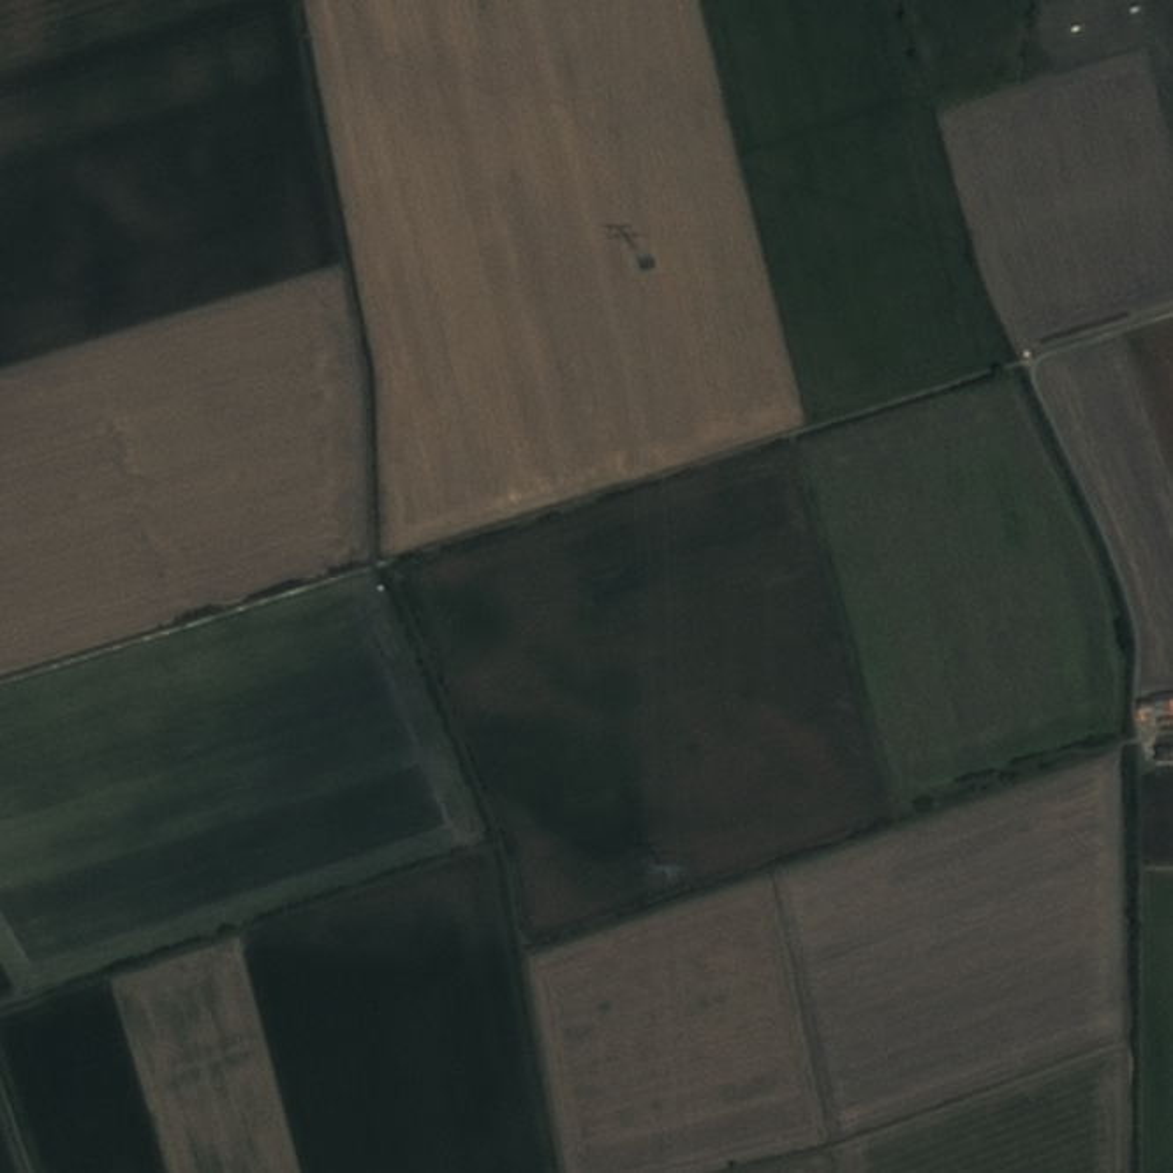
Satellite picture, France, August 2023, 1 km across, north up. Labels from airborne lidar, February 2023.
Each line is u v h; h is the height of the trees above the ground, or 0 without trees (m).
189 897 0
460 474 0
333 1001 0
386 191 0
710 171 0
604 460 0
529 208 0
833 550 0
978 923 0
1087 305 0
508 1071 0
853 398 0
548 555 0
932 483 0
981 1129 0
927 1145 0
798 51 0
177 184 0
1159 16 0
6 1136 0
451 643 0
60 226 0
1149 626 0
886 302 0
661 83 0
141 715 0
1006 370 8
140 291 0
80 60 0
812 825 0
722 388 0
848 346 0
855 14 0
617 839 0
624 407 0
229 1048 0
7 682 0
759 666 0
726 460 0
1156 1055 0
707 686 0
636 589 0
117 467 0
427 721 0
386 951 0
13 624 0
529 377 0
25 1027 0
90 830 0
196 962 0
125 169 0
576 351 0
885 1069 0
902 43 0
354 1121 0
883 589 0
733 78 0
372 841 0
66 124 0
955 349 0
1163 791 0
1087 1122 0
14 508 0
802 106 0
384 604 0
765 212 0
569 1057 0
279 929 0
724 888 0
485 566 0
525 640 0
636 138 0
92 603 0
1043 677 0
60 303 0
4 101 0
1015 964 0
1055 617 0
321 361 0
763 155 0
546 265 0
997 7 0
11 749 0
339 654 0
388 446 0
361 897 0
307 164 0
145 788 0
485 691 0
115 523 0
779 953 0
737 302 0
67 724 0
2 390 0
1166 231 0
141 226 0
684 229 0
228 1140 0
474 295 0
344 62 0
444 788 0
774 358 0
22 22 0
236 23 0
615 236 0
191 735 0
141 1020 0
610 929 0
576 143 0
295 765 0
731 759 0
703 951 0
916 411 0
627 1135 0
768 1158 0
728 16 0
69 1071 0
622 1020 0
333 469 0
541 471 0
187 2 0
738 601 0
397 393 0
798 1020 0
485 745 0
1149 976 0
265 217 0
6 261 0
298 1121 0
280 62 0
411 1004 0
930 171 0
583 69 0
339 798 0
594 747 0
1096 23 0
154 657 0
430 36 0
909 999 0
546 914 0
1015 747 0
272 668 0
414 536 0
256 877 0
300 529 0
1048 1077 0
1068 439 0
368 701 0
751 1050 0
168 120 0
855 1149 0
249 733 0
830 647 0
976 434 0
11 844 0
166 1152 0
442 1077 0
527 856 0
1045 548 0
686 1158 0
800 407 0
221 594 0
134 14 0
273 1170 0
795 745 0
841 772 0
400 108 0
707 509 0
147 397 0
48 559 0
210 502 0
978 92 0
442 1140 0
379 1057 0
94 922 0
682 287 0
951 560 0
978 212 0
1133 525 0
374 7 0
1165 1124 0
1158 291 0
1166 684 0
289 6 0
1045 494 0
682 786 0
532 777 0
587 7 0
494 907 0
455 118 0
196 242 0
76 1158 0
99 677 0
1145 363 0
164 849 0
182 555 0
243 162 0
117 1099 0
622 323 0
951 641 0
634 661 0
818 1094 0
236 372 0
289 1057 0
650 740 0
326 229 0
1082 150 0
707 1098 0
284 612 0
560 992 0
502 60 0
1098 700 0
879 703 0
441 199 0
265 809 0
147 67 0
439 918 0
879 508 0
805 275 0
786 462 0
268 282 0
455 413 0
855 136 0
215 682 0
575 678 0
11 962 0
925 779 0
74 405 0
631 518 0
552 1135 0
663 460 0
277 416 0
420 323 0
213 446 0
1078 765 0
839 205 0
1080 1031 0
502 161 0
